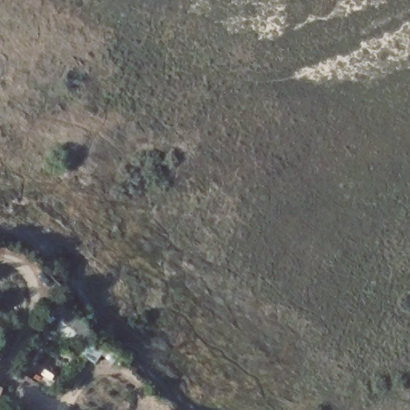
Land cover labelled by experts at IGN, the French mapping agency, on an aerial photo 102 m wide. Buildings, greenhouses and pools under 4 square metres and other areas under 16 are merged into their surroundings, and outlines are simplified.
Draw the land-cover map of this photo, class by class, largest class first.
<instances>
[{"label":"herbaceous vegetation","instance_id":"1","mask_svg":"<svg viewBox=\"0 0 410 410\"><path fill-rule=\"evenodd\" d=\"M115 45L114 29L99 24L96 29L91 30L82 19L70 16V3H66L64 13H58L50 0H0V250L8 248L11 253L26 256L29 263L37 264L40 261H58L66 269V299L64 303L51 304L48 309L51 317L61 320L62 333L66 336H86L94 332L106 343L109 352L112 354L117 352L120 356L130 359L131 372L143 383L136 388L135 384L125 380L120 373H109L104 376L93 373L91 383L80 388L85 392L86 400L78 404L82 410H136L139 399L147 396L167 400L170 402V410H410V328L404 327L399 320L392 319L388 312L386 320L381 325L383 335H376L375 330L365 328V336L372 338V343L367 344V341L362 340V343H354L351 346L352 354L365 359V367L354 364V360L349 359L348 354H343L340 360H335V341L327 340V346L324 348L320 341L322 327H316L312 320L304 319L293 307L269 304V299L261 291V279L251 277L250 267H245L239 277H221L215 272L207 274L205 271H199L187 263V258L197 251L218 266L226 261L223 245L229 243L234 235V221L242 223V218L237 215V202L240 199H232L231 195L224 192L223 187L216 183L208 186L207 192H179L173 187L175 176L171 175L170 167L173 163L181 165L184 162V155L195 157V151L200 144L199 130L179 128L173 133V141H168L165 138H154L152 130L139 131L136 123L127 122L117 112L112 111L106 117H99L93 112L86 111L85 99L75 98V94L70 90H78L75 80L88 82L90 78H98L99 82L101 78H111L115 72H119V67L112 64L107 53L109 46ZM287 0H232V5L255 6L256 16L227 18L223 24L227 32L237 34L240 30H258L261 40L283 34L287 16L283 5ZM386 3V0H340L330 13L325 16L311 14L304 21L295 24V30L303 29L309 22L330 21L335 16H348L352 11L364 10L365 6H380ZM410 69V21L402 22L399 29L383 34V37L360 42L359 48L351 53L344 56L340 54L319 62L316 66L303 67L295 72V78L306 77L312 82H322L328 93H333L338 80L372 83L375 78L386 77L396 70ZM384 256L388 261L389 274L381 272V277L388 280L394 277V272H410V242L402 240V247H399L396 237L384 235ZM19 287V296L24 299L21 304H14L11 307V314L18 317L19 330L13 327L5 333V346L0 351V376L10 375L11 362L22 348V344L30 338L32 328L29 327V309H34L38 299L48 296V285L45 280L40 279L37 287L29 288L24 275L13 263H0V288L6 290ZM392 296L397 298L394 311L410 317V291L392 290ZM16 383H27L34 386L38 392H43L45 396L56 397L59 400L67 394L61 388V384L53 378V383L46 384L42 373L35 376L13 375L11 378Z\"/></svg>","mask_w":410,"mask_h":410},{"label":"brushwood","instance_id":"2","mask_svg":"<svg viewBox=\"0 0 410 410\"><path fill-rule=\"evenodd\" d=\"M58 13H64L66 3H70V16L82 19L91 30L96 29L99 24L114 29L115 45L109 46L107 53L112 64L119 67V72H115L111 78H101L99 82L98 78H90L88 82L75 80L78 90H70L75 94V98L85 99L86 111L93 112L99 117H106L112 111L117 112L127 122L136 123L139 131L152 130L154 138H165L168 141H173V133L179 128L199 130L200 144L195 151V157L184 155V162L181 165L173 163L170 167L171 175L175 176L173 187L179 192H207L208 186L216 183L223 187L224 192L231 195L232 199H240L237 202V215L242 218V223L234 221V235L229 243L223 245L226 261L218 266L197 251L187 258V263L199 271H205L207 274L215 272L221 277H239L245 267H250L251 277L261 279V291L269 299V304L293 307L304 319L312 320L316 327H322L320 341L324 348L327 346V340L335 341V360H340L343 354H348L349 359L354 360V364L365 367V359L352 354L351 346L354 343H362V340L367 341V344L372 343V338L365 336V328L375 330L376 335H383L381 325L386 320L388 312L392 319L399 320L404 327L410 328V317L394 311L397 298L392 296V290L410 291V272H394V277L388 280L381 277V272L389 274L388 261L384 256V235L396 237L399 247H402V240L410 242V69L396 70L386 77L375 78L372 83L338 80L333 93H328L322 82H312L306 77L295 78V72L303 67L316 66L319 62L340 54L344 56L351 53L359 48L360 42L383 37V34L399 29L402 22L410 21V0H386V3L380 6H365L364 10L352 11L348 16H335L330 21L309 22L303 29L295 30V24L304 21L311 14L325 16L330 13L340 0H287L283 5L287 16L283 34L261 40L258 30H240L237 34L227 32L223 24L227 18L256 16L255 6L232 5V0H50Z\"/></svg>","mask_w":410,"mask_h":410},{"label":"deciduous trees","instance_id":"3","mask_svg":"<svg viewBox=\"0 0 410 410\"><path fill-rule=\"evenodd\" d=\"M40 267V279L45 280L48 285V296L38 299L34 309H29V327L32 328L30 338L22 344V348L11 362L10 375L11 378L13 375L35 376L42 373L43 370H48L53 373V378L61 384L74 378L75 373L82 370L86 360L82 352L86 348L109 352L106 343L94 332L86 336H66L62 333L61 320L51 317L48 309L51 304L64 303L66 299V269L58 261H40L37 264ZM19 287L6 290L0 288V351L5 346V333L13 327L19 330L18 317L11 314V307L14 304H21L24 299L19 296Z\"/></svg>","mask_w":410,"mask_h":410},{"label":"pervious surface","instance_id":"4","mask_svg":"<svg viewBox=\"0 0 410 410\"><path fill-rule=\"evenodd\" d=\"M0 263H13L24 275L29 288L37 287L40 279V267L37 264L29 263L26 256L11 253L8 248L0 250ZM112 362L104 360L96 368L86 360L82 370L75 373L74 378L61 384V388L67 394L59 400L56 397L45 396L43 392H38L34 386L27 383H16L11 378L10 375L0 376V410H82L78 404L86 400L85 392L80 388L91 383L93 373L104 376L109 373H120L125 380L135 384L136 388L143 383L131 372L130 359L120 356L117 352L112 354Z\"/></svg>","mask_w":410,"mask_h":410},{"label":"building","instance_id":"5","mask_svg":"<svg viewBox=\"0 0 410 410\"><path fill-rule=\"evenodd\" d=\"M86 360L96 368L104 360L112 362V354L109 352L86 348L82 352ZM46 384L53 383V373L48 370H43L42 373Z\"/></svg>","mask_w":410,"mask_h":410},{"label":"plowed land","instance_id":"6","mask_svg":"<svg viewBox=\"0 0 410 410\"><path fill-rule=\"evenodd\" d=\"M136 410H170V402L167 400L147 396L139 399Z\"/></svg>","mask_w":410,"mask_h":410}]
</instances>
